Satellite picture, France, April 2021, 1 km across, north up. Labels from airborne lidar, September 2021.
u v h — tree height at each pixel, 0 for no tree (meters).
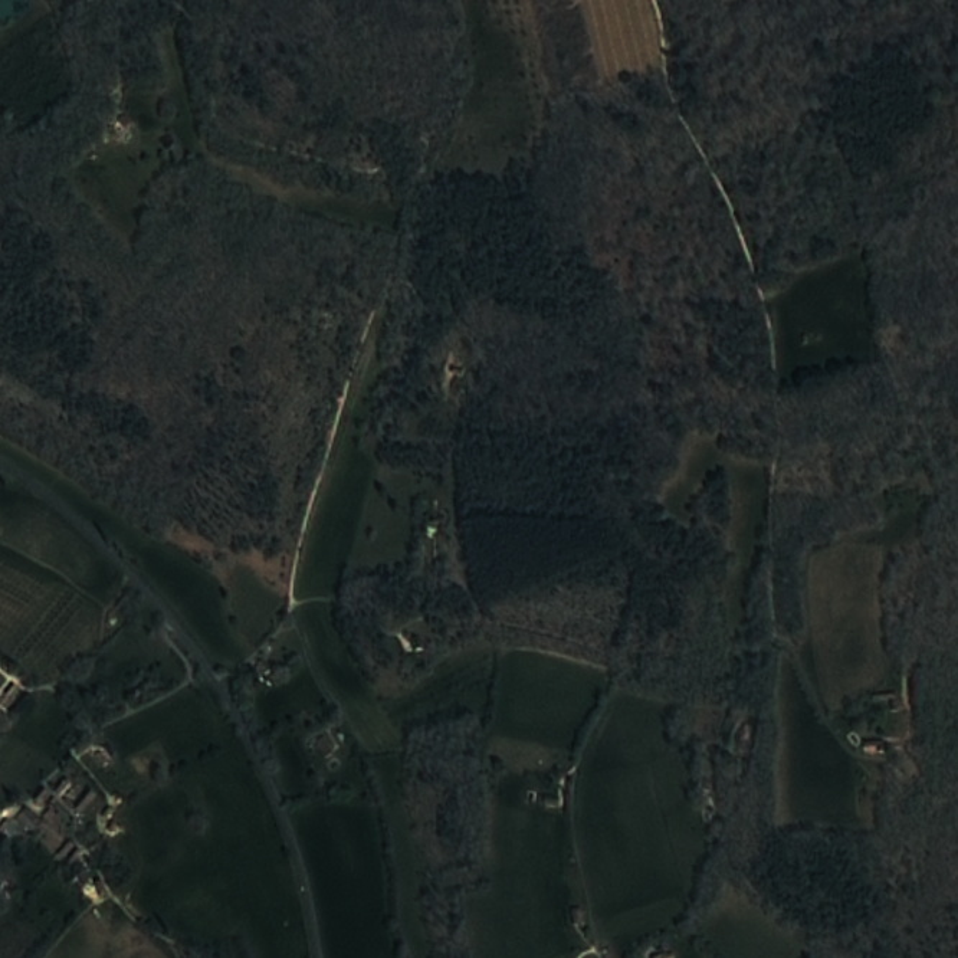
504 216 13
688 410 6
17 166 24
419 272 16
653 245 6
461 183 7
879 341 18
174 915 0
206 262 16
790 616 17
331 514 0
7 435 20
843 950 13
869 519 14
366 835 0
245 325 12
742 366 19
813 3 14
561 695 0
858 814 0
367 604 22
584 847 0
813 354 0
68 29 20
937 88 13
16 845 11
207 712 0
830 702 0
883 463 17
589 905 0
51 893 0
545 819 0
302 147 6
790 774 0
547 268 10
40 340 15
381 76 11
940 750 21
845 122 25
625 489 14
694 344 18
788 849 20
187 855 0
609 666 13
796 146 10
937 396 17
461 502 10
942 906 10
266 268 21
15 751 0
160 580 0
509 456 12
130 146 0
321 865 0
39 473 0
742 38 18
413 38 13
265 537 10
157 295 18
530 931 0
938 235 19
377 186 15
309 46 17
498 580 18
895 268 17
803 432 15
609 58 0
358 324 11
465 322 17
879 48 9
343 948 0
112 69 22
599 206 9
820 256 20
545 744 0
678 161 15
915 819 20
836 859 13
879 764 0
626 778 0
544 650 9
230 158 18
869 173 20
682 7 16
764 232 22
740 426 24
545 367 16
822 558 0
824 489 19
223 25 21
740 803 14
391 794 0
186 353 19
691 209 12
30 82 6
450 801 10
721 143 19
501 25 8
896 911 11
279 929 0
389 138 26
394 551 0
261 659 7
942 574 11
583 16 0
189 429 11
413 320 12
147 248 21
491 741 0
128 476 13
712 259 12
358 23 23
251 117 18
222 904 0
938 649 22
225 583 0
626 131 25
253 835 0
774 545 15
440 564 8
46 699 0
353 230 17
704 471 0
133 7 15
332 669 0
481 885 9
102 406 9
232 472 19
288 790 0
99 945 0
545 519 15
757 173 10
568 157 19
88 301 11
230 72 20
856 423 24
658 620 17
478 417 13
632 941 0
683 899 0
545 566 17
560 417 13
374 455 0
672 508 0
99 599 0
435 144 13
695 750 15
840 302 0
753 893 13
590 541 18
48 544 0
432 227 25
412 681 14
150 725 0
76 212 20
